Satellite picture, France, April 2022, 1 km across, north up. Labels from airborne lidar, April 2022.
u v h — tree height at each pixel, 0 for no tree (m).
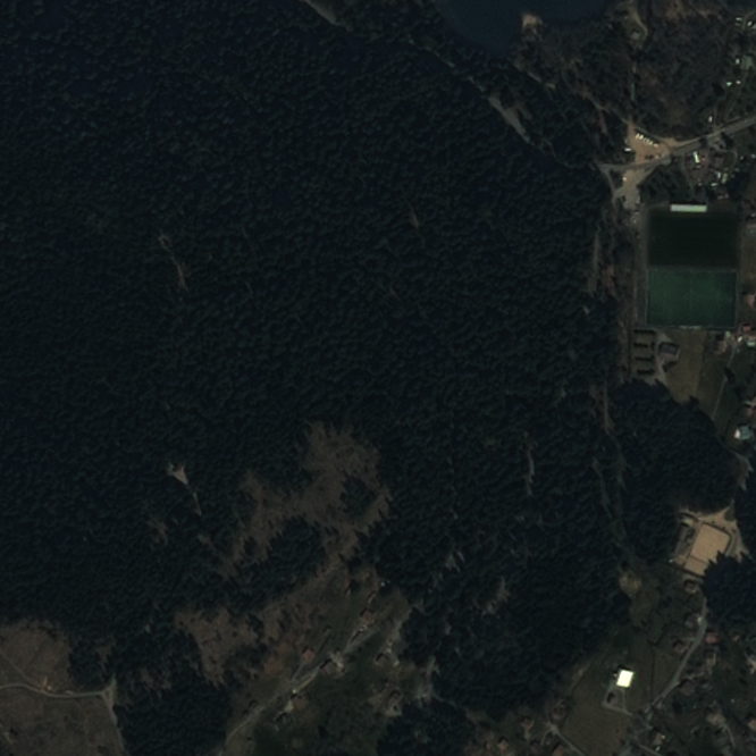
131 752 21
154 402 31
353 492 23
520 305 36
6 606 28
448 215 34
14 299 20
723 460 28
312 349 37
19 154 19
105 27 30
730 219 0
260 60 34
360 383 29
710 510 13
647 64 16
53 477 35
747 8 14
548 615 19
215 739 27
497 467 35
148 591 28
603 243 17
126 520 24
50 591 26
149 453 23
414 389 35
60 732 0
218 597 21
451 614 21
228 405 35
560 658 25
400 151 39
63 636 0
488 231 34
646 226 0
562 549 12
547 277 34
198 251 18
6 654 0
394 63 26
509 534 11
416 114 40
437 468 41
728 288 0
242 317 38
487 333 38
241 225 33
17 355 28
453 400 35
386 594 18
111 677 11
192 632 0
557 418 39
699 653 0
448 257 31
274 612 0
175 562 24
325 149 39
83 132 29
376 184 38
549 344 35
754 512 23
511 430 42
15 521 28
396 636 0
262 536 0
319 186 29
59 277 14
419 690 0
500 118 14
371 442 8
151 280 17
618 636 0
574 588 17
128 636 14
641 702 0
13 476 32
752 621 30
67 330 27
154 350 26
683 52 20
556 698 21
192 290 12
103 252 27
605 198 22
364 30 33
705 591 0
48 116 34
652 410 21
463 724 32
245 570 17
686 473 23
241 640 0
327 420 26
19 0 33
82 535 6
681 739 0
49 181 13
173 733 27
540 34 10
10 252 26
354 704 0
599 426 10
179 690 26
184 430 29
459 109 42
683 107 10
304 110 39
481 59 28
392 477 25
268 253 32
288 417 30
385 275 40
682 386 0
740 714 0
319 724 0
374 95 33
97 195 9
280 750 0
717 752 0
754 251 0
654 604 0
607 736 0
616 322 39
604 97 7
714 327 0
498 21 0
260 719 0
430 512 31
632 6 0
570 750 0
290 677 0
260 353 31
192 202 18
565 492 9
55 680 0
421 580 21
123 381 29
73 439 31
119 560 31
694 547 0
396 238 19
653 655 0
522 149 40
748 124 0
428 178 30
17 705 0
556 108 29
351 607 0
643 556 22
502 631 45
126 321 25
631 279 13
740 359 0
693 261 0
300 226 32
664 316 0
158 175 20
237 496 31
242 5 37
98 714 0
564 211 31
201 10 17
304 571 27
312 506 0
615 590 37
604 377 35
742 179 19
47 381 27
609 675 0
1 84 34
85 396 31
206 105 19
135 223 18
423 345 39
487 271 36
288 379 31
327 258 30
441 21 26
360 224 26
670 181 12
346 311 37
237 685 28
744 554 0
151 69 15
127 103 22
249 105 34
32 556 32
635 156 0
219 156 35
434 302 36
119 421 23
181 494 29
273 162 34
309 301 33
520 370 38
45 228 30
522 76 11
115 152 12
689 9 14
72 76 27
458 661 26
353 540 0
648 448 14
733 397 0
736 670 0
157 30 28
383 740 0
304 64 32
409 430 33
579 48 18
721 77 10
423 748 33
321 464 0
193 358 31
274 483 26
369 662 0
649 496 29
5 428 27
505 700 20
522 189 35
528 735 0
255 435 29
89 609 29
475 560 35
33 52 30
